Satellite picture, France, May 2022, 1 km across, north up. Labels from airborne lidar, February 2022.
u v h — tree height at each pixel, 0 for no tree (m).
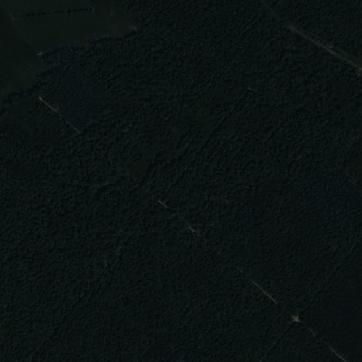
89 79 16
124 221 24
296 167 23
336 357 11
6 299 24
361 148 12
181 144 23
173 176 25
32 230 24
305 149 23
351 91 12
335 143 28
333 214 24
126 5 8
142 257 23
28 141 15
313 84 30
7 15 0
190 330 15
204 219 25
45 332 22
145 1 22
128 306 28
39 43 0
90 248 24
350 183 18
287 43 32
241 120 18
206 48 21
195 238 21
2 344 18
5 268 24
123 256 20
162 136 17
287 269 21
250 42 28
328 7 22
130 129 25
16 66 0
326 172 24
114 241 21
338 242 22
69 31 0
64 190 24
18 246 24
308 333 17
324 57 27
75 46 0
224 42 23
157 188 23
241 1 23
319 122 30
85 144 26
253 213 16
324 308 13
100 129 22
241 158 25
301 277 20
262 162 25
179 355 9
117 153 24
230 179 21
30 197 23
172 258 23
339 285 13
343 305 13
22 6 0
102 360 22
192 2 23
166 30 24
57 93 17
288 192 19
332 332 14
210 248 21
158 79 15
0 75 0
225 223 21
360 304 14
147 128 22
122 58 20
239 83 14
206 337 21
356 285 12
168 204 18
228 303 19
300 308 18
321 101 29
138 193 25
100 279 25
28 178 14
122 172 24
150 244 26
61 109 17
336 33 25
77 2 0
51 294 24
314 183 24
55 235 26
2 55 0
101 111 23
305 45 28
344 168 20
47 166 23
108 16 0
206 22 22
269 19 20
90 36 0
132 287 23
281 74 26
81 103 18
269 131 24
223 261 21
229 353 15
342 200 24
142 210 27
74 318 21
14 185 26
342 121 29
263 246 22
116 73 22
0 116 19
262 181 22
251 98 18
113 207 23
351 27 22
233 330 22
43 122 13
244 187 16
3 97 0
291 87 28
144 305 26
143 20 18
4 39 0
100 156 26
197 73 16
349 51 24
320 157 25
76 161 25
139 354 18
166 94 24
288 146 25
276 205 19
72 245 25
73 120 17
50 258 27
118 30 0
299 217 18
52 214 25
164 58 22
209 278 20
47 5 0
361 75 0
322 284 16
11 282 21
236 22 24
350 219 21
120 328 27
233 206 20
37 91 24
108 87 20
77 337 22
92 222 26
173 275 24
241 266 18
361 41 27
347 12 23
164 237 23
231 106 21
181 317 21
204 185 20
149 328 24
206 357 19
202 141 19
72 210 24
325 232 21
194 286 24
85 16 0
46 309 22
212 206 24
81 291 23
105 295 25
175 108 23
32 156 25
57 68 19
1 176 22
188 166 22
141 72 21
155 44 23
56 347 22
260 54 27
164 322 19
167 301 24
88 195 24
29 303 19
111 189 24
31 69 0
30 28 0
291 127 24
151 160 15
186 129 13
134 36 18
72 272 28
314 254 18
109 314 19
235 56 27
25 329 20
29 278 25
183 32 23
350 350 14
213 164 24
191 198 25
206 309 21
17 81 0
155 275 25
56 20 0
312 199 20
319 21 24
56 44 0
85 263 26
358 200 24
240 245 15
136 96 23
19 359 21
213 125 10
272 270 18
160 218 25
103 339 18
